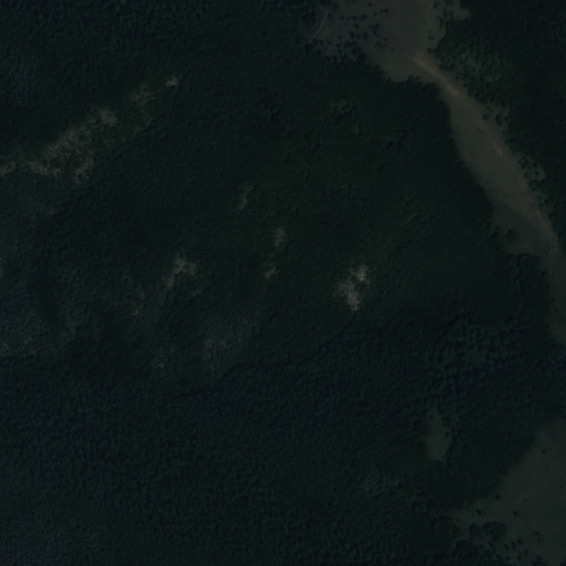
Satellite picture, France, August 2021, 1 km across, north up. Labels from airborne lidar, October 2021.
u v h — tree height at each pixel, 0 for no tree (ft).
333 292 27
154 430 72
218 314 41
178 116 49
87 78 52
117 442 84
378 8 0
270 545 65
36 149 31
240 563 53
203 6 81
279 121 71
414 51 0
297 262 89
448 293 66
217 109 64
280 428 59
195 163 59
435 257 52
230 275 52
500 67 28
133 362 56
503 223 0
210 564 45
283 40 75
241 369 57
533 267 44
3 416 76
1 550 35
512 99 41
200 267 35
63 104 61
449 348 44
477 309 75
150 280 38
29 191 46
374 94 62
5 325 22
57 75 54
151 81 26
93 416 73
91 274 21
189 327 46
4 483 42
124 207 57
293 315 43
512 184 0
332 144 67
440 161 53
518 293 46
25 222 36
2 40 60
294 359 66
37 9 70
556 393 50
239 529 78
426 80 0
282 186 46
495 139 0
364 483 36
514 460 42
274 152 59
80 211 70
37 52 67
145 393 68
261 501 68
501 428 56
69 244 42
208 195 41
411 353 70
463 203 49
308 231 78
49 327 42
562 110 75
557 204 39
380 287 41
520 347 51
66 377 72
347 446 54
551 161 50
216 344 29
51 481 72
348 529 61
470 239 54
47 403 78
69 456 84
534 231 0
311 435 48
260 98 63
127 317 25
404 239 48
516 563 0
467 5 43
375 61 0
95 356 46
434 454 0
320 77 48
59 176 29
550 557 0
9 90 50
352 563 58
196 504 91
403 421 72
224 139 66
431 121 58
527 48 64
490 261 60
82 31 42
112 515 55
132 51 53
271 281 32
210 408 62
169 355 38
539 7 63
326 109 76
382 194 63
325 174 49
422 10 0
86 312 43
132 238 62
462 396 60
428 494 62
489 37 54
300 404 61
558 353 49
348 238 81
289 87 64
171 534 71
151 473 87
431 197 61
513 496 0
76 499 47
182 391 66
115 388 60
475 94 27
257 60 54
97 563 46
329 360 69
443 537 69
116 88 63
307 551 74
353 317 52
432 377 25
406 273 48
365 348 65
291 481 56
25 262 44
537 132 69
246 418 84
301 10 53
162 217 61
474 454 65
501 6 76
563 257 0
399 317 71
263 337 66
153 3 103
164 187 63
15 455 76
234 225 48
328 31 0
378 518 67
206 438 55
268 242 32
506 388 72
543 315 43
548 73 62
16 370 56
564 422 0
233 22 84
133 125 27
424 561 61
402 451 60
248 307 45
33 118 69
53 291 59
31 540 55
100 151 30
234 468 99
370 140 63
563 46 58
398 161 80
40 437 99
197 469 90
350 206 94
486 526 22
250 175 49
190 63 39
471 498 52
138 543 69
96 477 86
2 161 23
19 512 46
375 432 47
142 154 63
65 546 44
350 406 54
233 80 62
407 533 72
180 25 101
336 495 48
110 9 88
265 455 62
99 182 53
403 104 70
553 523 0
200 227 50
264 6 54
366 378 80
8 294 25
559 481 0
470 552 58
